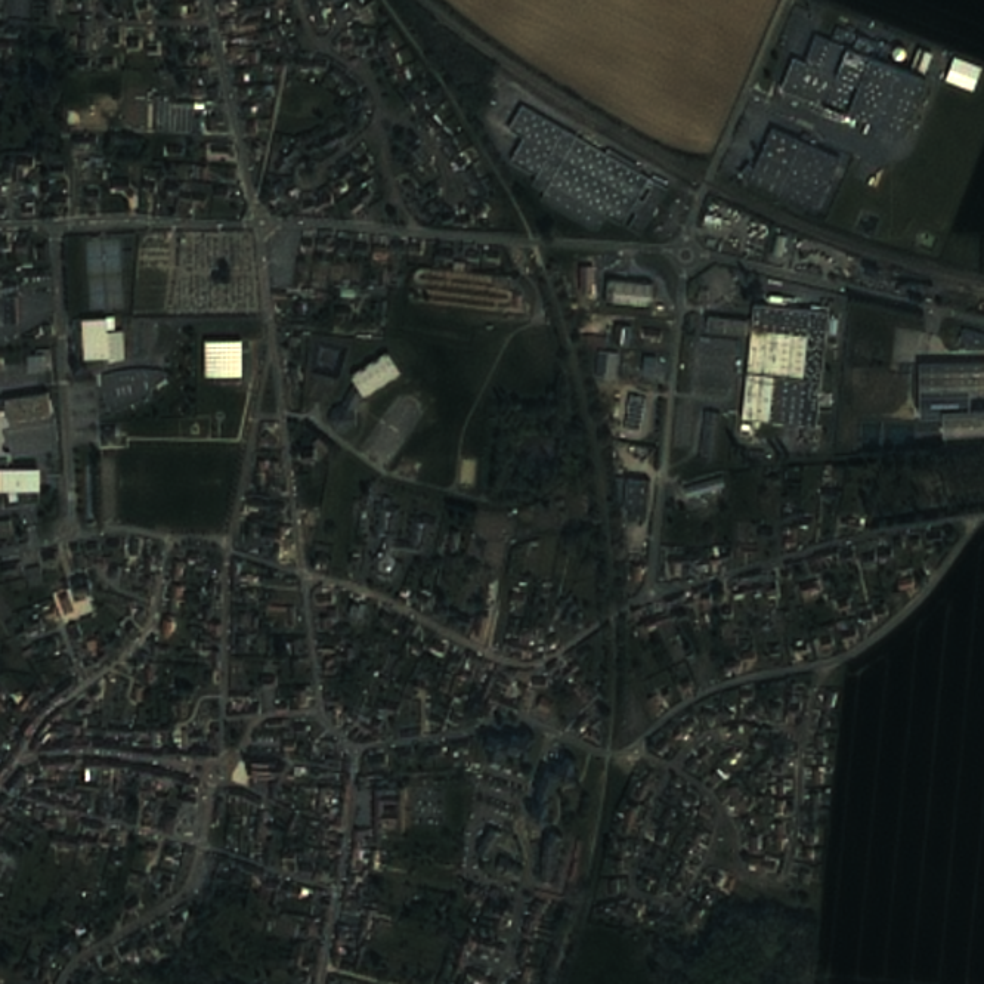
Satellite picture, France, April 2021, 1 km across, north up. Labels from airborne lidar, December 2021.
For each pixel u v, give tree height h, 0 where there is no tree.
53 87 15
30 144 8
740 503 0
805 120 0
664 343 0
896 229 0
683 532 0
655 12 0
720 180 0
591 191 0
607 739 0
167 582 0
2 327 0
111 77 0
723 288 0
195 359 0
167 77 0
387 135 12
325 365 0
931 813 0
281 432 0
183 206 0
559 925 12
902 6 0
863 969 0
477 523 0
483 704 12
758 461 13
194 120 0
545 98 0
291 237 0
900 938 0
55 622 0
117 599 0
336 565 0
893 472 18
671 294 0
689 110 0
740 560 0
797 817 0
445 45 0
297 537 0
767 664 0
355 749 0
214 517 0
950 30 0
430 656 9
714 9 0
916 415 0
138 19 0
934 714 0
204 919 7
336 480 0
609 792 0
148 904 0
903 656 0
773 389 0
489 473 0
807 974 23
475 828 0
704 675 0
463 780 13
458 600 0
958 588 0
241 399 0
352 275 0
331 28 0
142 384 0
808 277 0
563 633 0
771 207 0
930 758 0
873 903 0
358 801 0
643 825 0
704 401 0
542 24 0
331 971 0
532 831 0
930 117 0
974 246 0
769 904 19
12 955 17
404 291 0
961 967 0
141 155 12
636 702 0
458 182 0
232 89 0
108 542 0
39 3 0
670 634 0
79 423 0
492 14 0
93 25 0
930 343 0
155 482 0
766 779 0
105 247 0
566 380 15
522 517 0
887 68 0
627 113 0
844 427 0
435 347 0
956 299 0
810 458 0
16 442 0
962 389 0
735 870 0
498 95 0
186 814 0
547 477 13
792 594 0
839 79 0
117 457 0
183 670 12
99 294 0
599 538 15
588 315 0
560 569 0
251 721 0
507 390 0
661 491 0
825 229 0
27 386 0
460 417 0
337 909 0
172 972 15
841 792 0
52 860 0
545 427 13
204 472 0
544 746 0
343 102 6
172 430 0
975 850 0
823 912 0
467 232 0
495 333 0
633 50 0
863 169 0
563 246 0
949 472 22
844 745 0
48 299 0
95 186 0
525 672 0
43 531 0
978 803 0
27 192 0
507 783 10
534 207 0
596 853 0
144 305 0
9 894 0
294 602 0
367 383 0
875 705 0
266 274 0
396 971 0
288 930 0
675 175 0
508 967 0
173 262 0
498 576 0
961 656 0
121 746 0
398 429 0
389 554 0
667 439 0
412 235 0
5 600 0
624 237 0
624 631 7
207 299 0
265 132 0
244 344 0
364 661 10
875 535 0
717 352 0
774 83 0
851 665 0
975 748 0
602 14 0
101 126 0
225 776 0
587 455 6
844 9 0
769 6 0
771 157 0
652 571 0
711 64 0
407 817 0
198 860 0
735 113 0
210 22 0
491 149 13
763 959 26
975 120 0
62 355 0
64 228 0
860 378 0
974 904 0
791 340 0
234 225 0
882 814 0
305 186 0
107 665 0
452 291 0
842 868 0
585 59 0
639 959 0
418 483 0
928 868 0
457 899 10
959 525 0
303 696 0
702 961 22
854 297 16
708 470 0
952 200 0
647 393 0
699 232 0
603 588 12
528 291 0
